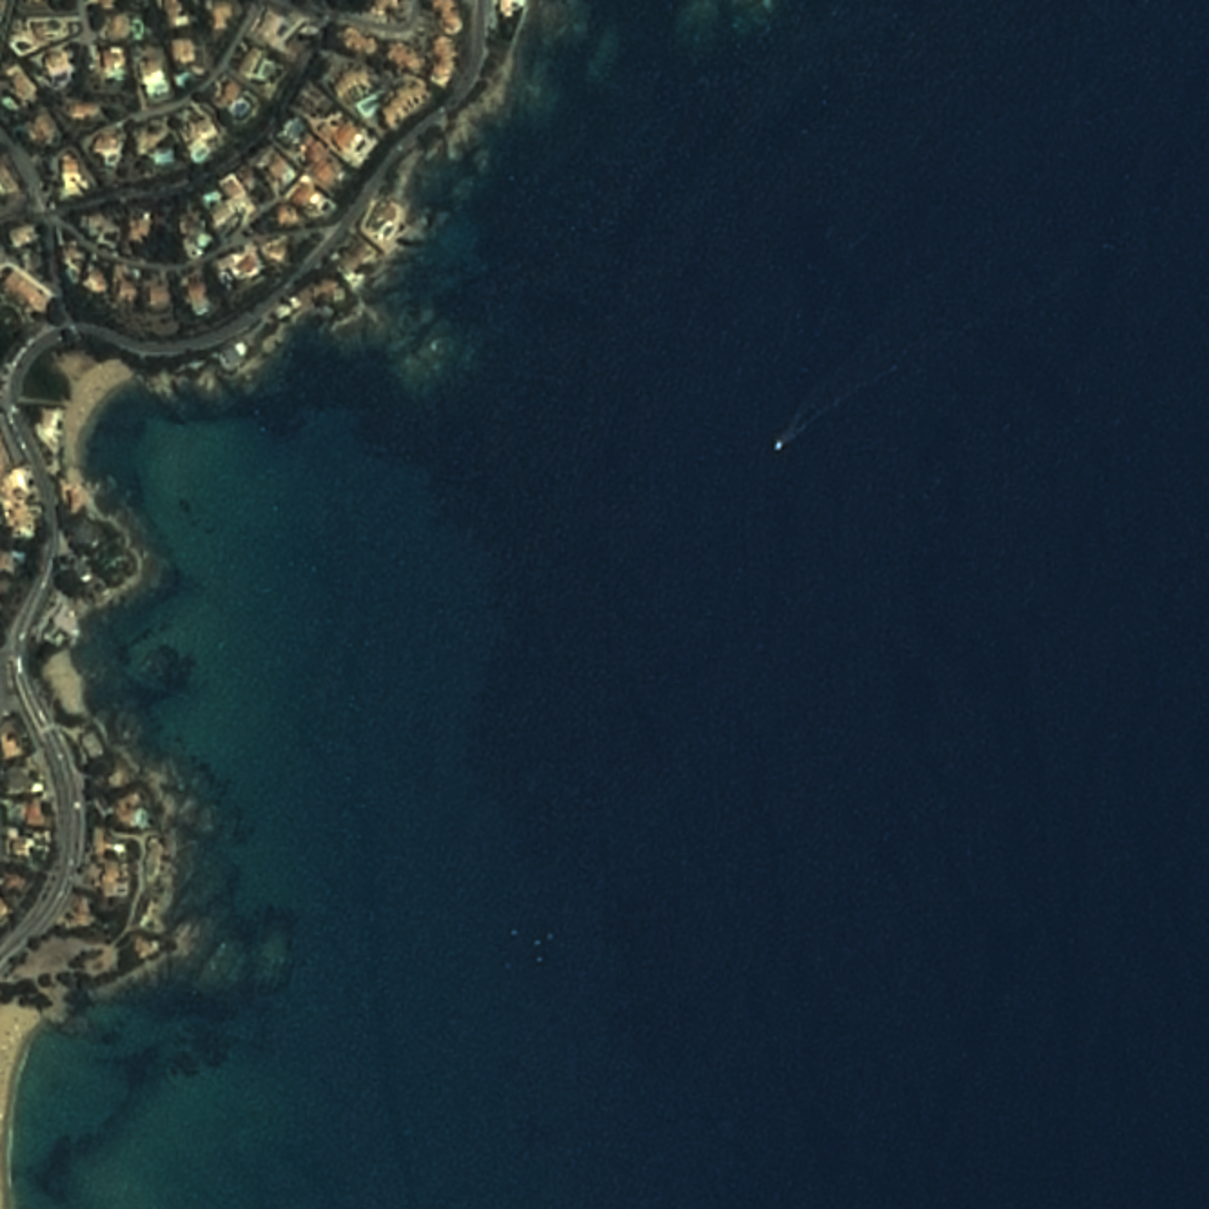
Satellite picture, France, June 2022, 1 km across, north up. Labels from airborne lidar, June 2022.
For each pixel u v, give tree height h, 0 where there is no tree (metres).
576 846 0
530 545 0
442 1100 0
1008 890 0
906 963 0
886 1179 0
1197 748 0
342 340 0
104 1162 0
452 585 0
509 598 0
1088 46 0
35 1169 0
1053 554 0
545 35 0
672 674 0
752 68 0
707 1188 0
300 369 0
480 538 0
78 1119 0
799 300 0
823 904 0
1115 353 0
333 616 0
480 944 0
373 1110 0
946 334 0
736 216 0
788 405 0
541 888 0
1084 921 0
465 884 0
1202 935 0
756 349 0
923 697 0
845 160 0
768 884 0
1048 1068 0
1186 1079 0
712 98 0
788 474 0
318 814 0
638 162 0
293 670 0
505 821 0
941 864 0
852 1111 0
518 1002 0
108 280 9
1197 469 0
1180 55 0
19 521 0
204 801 0
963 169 0
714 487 0
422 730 0
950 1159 0
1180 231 0
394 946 0
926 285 0
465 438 0
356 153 0
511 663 0
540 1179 0
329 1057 0
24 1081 0
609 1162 0
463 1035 0
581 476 0
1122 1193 0
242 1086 0
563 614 0
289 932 0
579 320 0
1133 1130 0
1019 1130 0
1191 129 0
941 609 0
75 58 8
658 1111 0
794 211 0
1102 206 0
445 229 0
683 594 0
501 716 0
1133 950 0
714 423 0
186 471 0
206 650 0
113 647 0
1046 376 0
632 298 0
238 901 0
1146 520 0
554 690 0
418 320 0
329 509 0
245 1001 0
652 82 0
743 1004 0
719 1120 0
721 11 0
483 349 0
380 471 0
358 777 0
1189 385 0
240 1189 0
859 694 0
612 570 0
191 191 6
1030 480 0
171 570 0
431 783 0
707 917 0
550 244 0
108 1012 0
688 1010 0
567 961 0
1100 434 0
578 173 0
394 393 0
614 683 0
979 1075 0
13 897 9
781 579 0
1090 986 0
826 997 0
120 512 0
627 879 0
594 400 0
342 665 0
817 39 0
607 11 0
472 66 0
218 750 0
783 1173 0
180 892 0
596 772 0
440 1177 0
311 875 0
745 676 0
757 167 0
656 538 0
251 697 0
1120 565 0
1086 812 0
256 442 0
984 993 0
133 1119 0
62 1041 0
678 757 0
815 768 0
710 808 0
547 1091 0
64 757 0
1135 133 0
